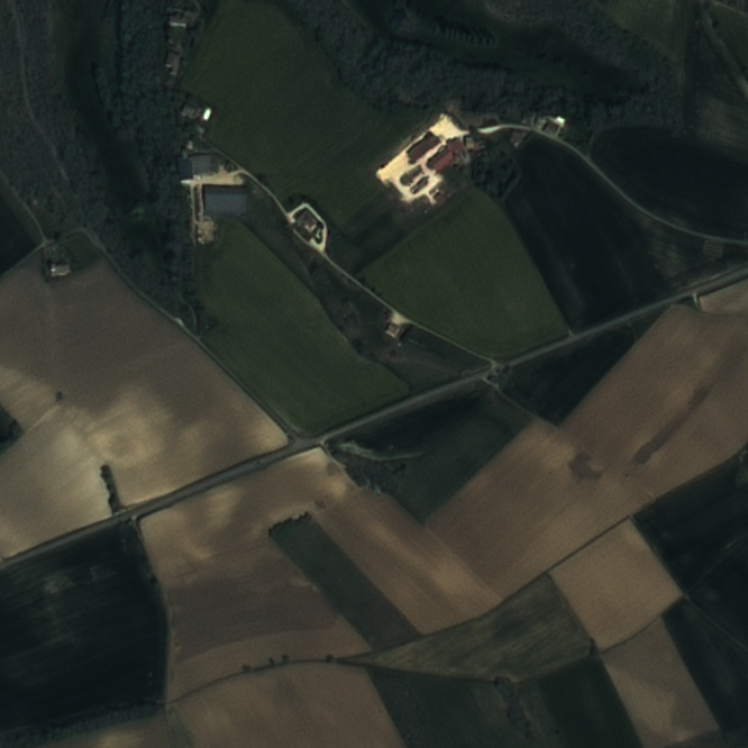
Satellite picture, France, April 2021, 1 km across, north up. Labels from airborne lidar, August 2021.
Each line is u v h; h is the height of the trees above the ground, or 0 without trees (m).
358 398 0
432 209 0
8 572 0
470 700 0
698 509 0
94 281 0
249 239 0
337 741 0
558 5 19
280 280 0
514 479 0
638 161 0
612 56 20
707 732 0
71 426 0
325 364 0
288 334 0
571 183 0
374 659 0
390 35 0
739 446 0
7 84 13
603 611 0
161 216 18
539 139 0
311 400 0
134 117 23
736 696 0
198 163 0
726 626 0
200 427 0
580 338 0
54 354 0
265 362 0
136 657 0
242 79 0
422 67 11
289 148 0
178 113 9
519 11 15
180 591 0
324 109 0
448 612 0
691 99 0
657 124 11
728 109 0
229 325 0
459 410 0
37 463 0
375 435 0
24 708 0
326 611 0
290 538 0
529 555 0
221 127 0
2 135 11
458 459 0
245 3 0
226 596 0
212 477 0
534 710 0
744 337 0
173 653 0
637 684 0
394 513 0
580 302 0
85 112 0
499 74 16
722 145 0
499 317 0
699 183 0
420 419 0
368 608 0
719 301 0
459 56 0
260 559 0
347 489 0
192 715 0
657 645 0
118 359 0
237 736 0
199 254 0
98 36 0
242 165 0
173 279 19
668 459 0
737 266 0
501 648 0
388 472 10
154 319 0
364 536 0
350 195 0
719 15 0
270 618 0
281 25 0
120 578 0
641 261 0
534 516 0
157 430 0
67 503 0
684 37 0
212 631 0
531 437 0
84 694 0
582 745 0
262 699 0
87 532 0
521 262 0
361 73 22
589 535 0
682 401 0
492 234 0
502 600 0
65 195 14
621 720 0
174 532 0
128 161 0
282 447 0
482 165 11
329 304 0
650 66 16
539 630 0
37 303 0
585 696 0
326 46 14
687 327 0
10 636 0
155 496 0
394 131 0
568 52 0
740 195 0
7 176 14
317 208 10
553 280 0
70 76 0
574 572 0
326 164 0
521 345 0
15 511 0
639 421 0
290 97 0
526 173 0
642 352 0
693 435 0
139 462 0
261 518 0
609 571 0
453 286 0
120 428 0
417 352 0
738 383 0
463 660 0
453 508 0
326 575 0
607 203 0
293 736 0
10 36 14
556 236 0
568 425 0
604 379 0
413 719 7
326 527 0
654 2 0
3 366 0
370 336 0
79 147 18
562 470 0
